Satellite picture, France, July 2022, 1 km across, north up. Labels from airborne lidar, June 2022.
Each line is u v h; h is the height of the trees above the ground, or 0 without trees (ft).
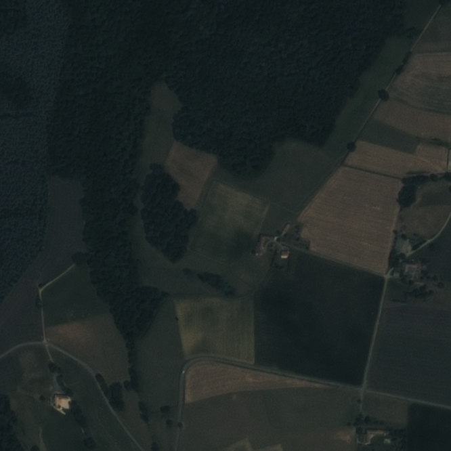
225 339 0
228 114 55
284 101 52
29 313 0
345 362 0
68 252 0
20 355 0
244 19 51
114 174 91
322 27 68
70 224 0
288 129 61
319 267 0
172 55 90
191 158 0
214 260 0
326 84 63
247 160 31
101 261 45
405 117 0
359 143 0
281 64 65
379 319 0
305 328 0
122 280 83
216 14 71
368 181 0
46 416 0
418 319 0
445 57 0
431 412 0
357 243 0
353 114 0
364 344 0
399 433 37
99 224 45
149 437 0
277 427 0
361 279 0
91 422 0
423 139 0
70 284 0
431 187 0
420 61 0
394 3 74
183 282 0
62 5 48
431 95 0
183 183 0
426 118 0
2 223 72
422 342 0
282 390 0
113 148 90
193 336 0
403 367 0
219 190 0
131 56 70
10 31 45
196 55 63
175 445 0
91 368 0
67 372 0
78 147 72
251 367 0
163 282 0
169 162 0
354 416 0
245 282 0
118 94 86
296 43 67
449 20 0
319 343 0
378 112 0
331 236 0
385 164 0
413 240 0
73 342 0
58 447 0
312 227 0
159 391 0
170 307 0
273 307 0
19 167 59
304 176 0
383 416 0
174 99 0
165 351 0
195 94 55
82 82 58
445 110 0
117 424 0
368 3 63
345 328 0
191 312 0
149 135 0
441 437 0
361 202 0
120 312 54
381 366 0
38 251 49
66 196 0
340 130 0
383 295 0
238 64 66
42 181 69
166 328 0
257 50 61
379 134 0
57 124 54
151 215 82
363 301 0
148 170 0
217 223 0
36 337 0
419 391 0
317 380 0
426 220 0
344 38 71
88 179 65
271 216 0
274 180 0
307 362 0
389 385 0
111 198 80
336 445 0
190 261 0
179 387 0
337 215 0
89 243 58
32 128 68
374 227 0
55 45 74
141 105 86
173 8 98
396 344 0
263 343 0
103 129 45
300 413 0
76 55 69
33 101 73
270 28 63
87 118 62
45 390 0
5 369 0
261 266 0
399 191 0
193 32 77
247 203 0
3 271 72
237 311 0
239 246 0
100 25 51
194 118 20
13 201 65
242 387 0
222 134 66
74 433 0
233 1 52
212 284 40
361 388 0
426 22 0
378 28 76
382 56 0
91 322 0
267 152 41
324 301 0
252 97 69
